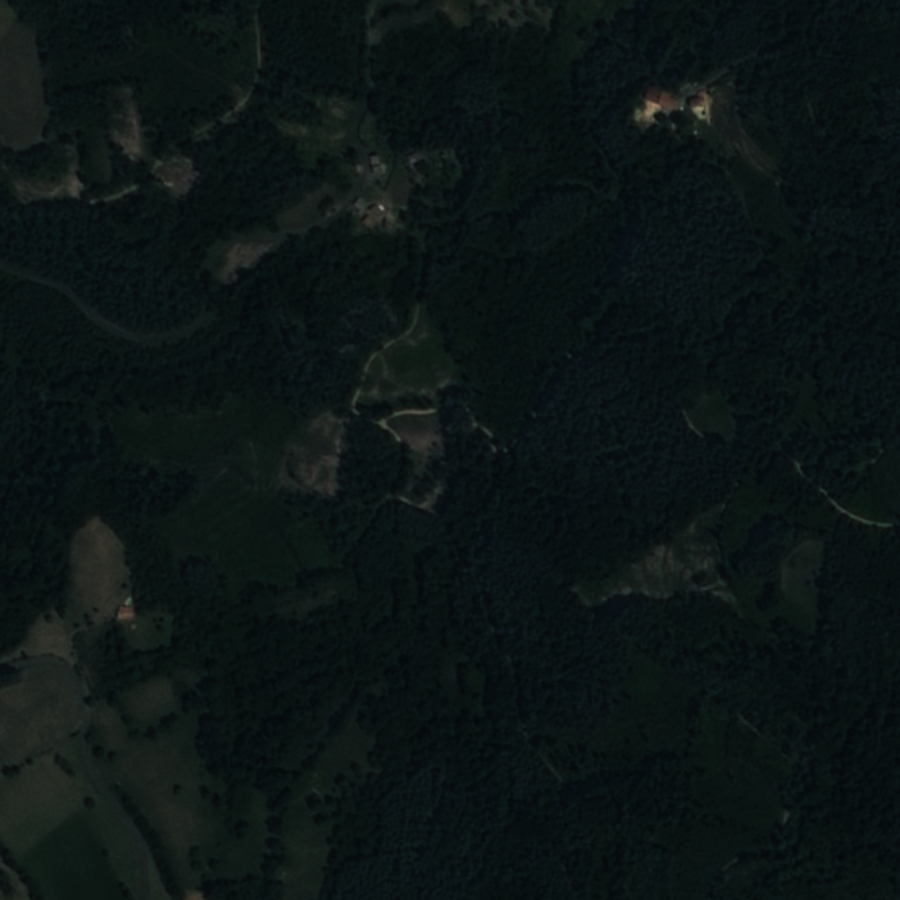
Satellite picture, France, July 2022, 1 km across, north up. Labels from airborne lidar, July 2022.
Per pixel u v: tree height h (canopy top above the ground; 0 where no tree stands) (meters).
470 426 27
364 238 7
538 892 25
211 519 0
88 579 0
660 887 19
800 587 0
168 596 14
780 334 23
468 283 9
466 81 29
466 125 30
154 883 0
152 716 0
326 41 9
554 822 31
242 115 12
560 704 26
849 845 23
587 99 25
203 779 0
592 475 24
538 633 20
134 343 11
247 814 0
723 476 26
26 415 21
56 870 0
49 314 8
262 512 0
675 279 36
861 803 23
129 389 27
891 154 33
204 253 26
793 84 19
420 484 24
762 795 0
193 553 0
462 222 19
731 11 14
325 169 20
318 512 17
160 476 22
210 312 15
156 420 0
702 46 10
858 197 21
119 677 14
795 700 23
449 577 8
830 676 26
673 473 26
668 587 0
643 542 31
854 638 21
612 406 22
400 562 18
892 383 23
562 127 12
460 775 25
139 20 14
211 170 23
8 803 0
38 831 0
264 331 31
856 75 21
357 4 11
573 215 31
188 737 0
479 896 26
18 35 0
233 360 21
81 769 0
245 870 0
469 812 28
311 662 21
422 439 0
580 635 26
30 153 15
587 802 35
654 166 10
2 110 0
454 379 0
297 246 21
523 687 20
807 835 19
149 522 11
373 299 31
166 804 0
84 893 0
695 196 32
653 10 34
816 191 30
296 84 36
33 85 0
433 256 17
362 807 14
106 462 35
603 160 25
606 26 26
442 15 7
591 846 24
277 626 19
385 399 0
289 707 21
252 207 23
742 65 7
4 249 24
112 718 0
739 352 27
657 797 27
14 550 22
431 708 20
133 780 0
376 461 16
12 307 12
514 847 25
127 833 0
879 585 13
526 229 29
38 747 0
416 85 17
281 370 13
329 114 0
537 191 17
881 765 23
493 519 27
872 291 22
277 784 22
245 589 8
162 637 0
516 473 22
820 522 0
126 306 30
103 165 0
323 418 0
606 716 25
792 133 18
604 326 18
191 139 20
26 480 9
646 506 29
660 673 0
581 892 17
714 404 0
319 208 7
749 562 27
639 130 10
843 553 10
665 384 24
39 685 0
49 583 17
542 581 32
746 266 32
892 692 15
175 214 24
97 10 18
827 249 28
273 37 10
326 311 24
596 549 32
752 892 5
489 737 6
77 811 0
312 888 0
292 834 0
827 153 17
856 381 30
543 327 6
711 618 8
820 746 32
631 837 17
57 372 9
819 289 20
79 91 17
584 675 25
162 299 29
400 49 9
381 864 30
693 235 29
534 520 25
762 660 27
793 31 15
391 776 16
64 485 32
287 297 10
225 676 6
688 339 23
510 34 29
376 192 0
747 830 7
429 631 25
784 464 21
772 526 26
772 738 23
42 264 28
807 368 25
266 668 16
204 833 0
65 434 12
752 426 24
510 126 31
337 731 16
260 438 0
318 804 21
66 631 0
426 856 36
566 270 6
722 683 22
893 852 12
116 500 29
